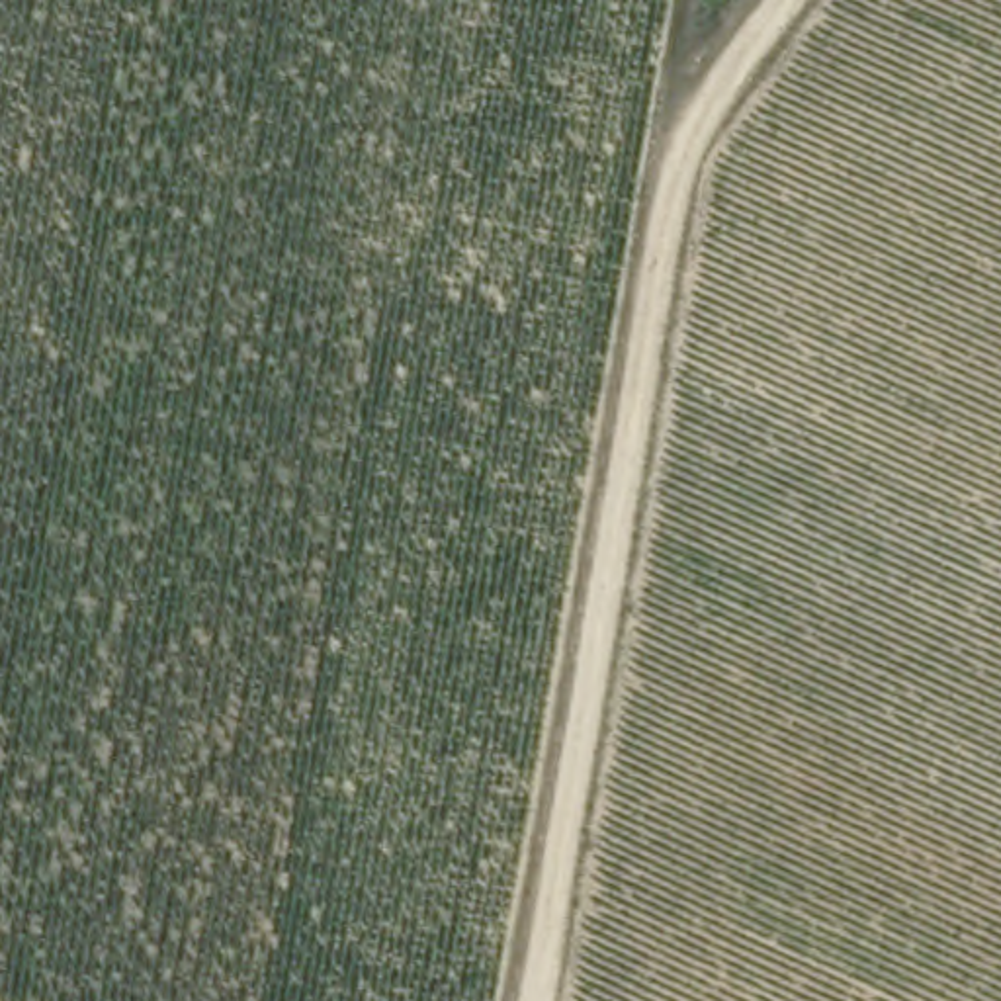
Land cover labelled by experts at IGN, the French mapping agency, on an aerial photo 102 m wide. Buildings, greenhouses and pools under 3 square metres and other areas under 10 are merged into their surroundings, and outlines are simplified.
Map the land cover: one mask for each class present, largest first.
<instances>
[{"label":"vineyard","instance_id":"1","mask_svg":"<svg viewBox=\"0 0 1001 1001\"><path fill-rule=\"evenodd\" d=\"M665 0H0V1001H493L501 942H489L485 935L489 923H497L508 907L520 860L528 782L540 743L544 692L555 653L571 532L579 512V473L587 469L590 446L587 418L594 414L602 387V356L618 297L633 176L645 137V106L653 86L649 55ZM551 1001H1001V0H802V8L786 20L778 39L766 47V55L755 63V70L708 133L688 184Z\"/></svg>","mask_w":1001,"mask_h":1001},{"label":"pervious surface","instance_id":"2","mask_svg":"<svg viewBox=\"0 0 1001 1001\"><path fill-rule=\"evenodd\" d=\"M802 8V0H762L735 31V39L723 47L700 90L688 98L669 137V152L661 160L649 207L626 348V379L618 399V430L610 450L606 497L598 512L594 567L587 587L579 665L563 731L520 1001H551L688 184L708 133L755 70V63L766 55V47L778 39L786 20Z\"/></svg>","mask_w":1001,"mask_h":1001},{"label":"herbaceous vegetation","instance_id":"3","mask_svg":"<svg viewBox=\"0 0 1001 1001\"><path fill-rule=\"evenodd\" d=\"M762 0H665L649 55L653 86L645 106V137L633 176L618 297L602 356V387L594 414L587 418L590 446L587 469L579 473V512L571 532L555 653L544 692L540 743L528 782L520 860L508 907L497 923H489L485 935L489 942H501L493 1001H520L563 731L579 665L587 587L594 567L598 512L606 497L610 450L618 430V399L626 379V348L649 207L661 160L669 152V137L688 98L700 90L723 47L735 39V31Z\"/></svg>","mask_w":1001,"mask_h":1001}]
</instances>
